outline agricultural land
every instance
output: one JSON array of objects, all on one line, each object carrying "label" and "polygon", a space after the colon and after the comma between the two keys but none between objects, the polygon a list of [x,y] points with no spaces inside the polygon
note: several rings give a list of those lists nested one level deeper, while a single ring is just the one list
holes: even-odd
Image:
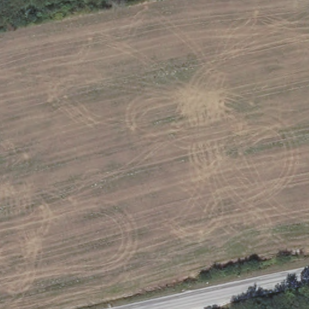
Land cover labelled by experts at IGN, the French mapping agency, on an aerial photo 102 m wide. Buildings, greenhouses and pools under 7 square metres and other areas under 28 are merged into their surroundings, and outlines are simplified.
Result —
[{"label": "agricultural land", "polygon": [[91,13],[74,12],[71,16],[64,17],[62,22],[29,24],[23,29],[0,33],[0,309],[74,309],[194,278],[214,264],[237,262],[251,255],[273,260],[278,258],[276,253],[279,251],[309,253],[309,0],[145,0],[136,2],[133,7],[122,11],[115,12],[107,8]]}]

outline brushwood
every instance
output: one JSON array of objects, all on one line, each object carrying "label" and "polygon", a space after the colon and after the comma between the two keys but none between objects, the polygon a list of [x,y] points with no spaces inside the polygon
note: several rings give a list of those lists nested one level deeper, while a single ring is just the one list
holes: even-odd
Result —
[{"label": "brushwood", "polygon": [[237,262],[214,264],[194,278],[74,309],[103,309],[251,276],[278,273],[281,270],[309,268],[309,253],[279,251],[276,253],[278,258],[273,260],[251,255]]},{"label": "brushwood", "polygon": [[115,12],[122,11],[133,7],[136,2],[145,0],[0,0],[0,33],[23,29],[29,24],[62,22],[64,17],[71,16],[74,12],[91,13],[107,8]]}]

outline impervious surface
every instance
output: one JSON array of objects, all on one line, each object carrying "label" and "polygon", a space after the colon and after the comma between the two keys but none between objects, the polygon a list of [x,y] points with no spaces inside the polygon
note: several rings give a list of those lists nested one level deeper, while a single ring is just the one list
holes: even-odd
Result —
[{"label": "impervious surface", "polygon": [[215,305],[225,307],[231,302],[238,304],[256,295],[266,299],[274,298],[290,288],[309,284],[309,268],[281,270],[278,273],[251,276],[103,309],[205,309]]}]

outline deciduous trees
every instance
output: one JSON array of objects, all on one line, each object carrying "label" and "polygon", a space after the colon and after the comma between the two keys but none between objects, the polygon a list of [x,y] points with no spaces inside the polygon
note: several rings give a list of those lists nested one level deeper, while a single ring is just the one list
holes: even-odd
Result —
[{"label": "deciduous trees", "polygon": [[231,302],[225,307],[215,305],[205,309],[309,309],[309,284],[290,288],[274,298],[266,299],[256,295],[238,304]]}]

